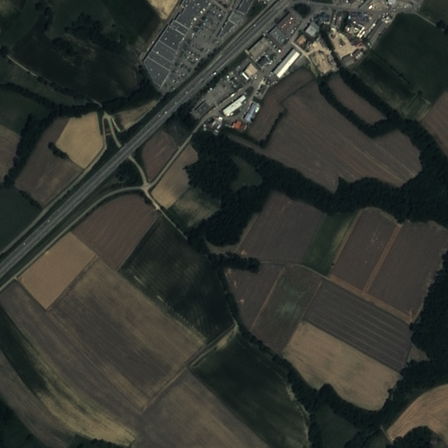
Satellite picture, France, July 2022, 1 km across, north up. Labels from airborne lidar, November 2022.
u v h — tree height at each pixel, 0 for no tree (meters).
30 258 0
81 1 0
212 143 8
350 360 0
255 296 0
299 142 0
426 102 0
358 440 17
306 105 0
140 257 0
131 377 0
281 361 14
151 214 0
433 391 0
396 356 0
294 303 0
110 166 0
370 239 0
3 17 0
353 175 0
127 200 0
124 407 0
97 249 0
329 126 0
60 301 0
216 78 11
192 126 11
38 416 0
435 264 0
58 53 0
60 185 0
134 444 0
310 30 0
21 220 0
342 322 0
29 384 0
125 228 0
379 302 0
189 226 0
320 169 0
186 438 0
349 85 18
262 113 0
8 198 0
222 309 0
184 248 0
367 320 0
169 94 14
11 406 0
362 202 26
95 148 0
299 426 0
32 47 0
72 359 0
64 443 0
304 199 21
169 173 0
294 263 0
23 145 23
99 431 0
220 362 0
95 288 0
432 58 0
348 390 0
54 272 0
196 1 0
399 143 0
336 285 0
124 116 0
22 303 0
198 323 0
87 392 0
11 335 0
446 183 16
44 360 0
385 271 0
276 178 28
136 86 0
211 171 7
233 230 26
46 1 0
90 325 0
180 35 0
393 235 0
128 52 0
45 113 0
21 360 0
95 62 0
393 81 0
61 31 0
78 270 0
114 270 0
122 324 0
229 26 0
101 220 0
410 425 0
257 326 0
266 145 14
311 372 0
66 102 0
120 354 0
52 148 18
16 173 20
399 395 15
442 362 19
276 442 0
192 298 0
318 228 0
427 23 0
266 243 0
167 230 0
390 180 0
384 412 9
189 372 0
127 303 0
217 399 0
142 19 0
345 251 0
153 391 0
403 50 0
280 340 0
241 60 0
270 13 0
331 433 0
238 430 0
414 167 0
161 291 0
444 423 0
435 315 26
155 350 0
